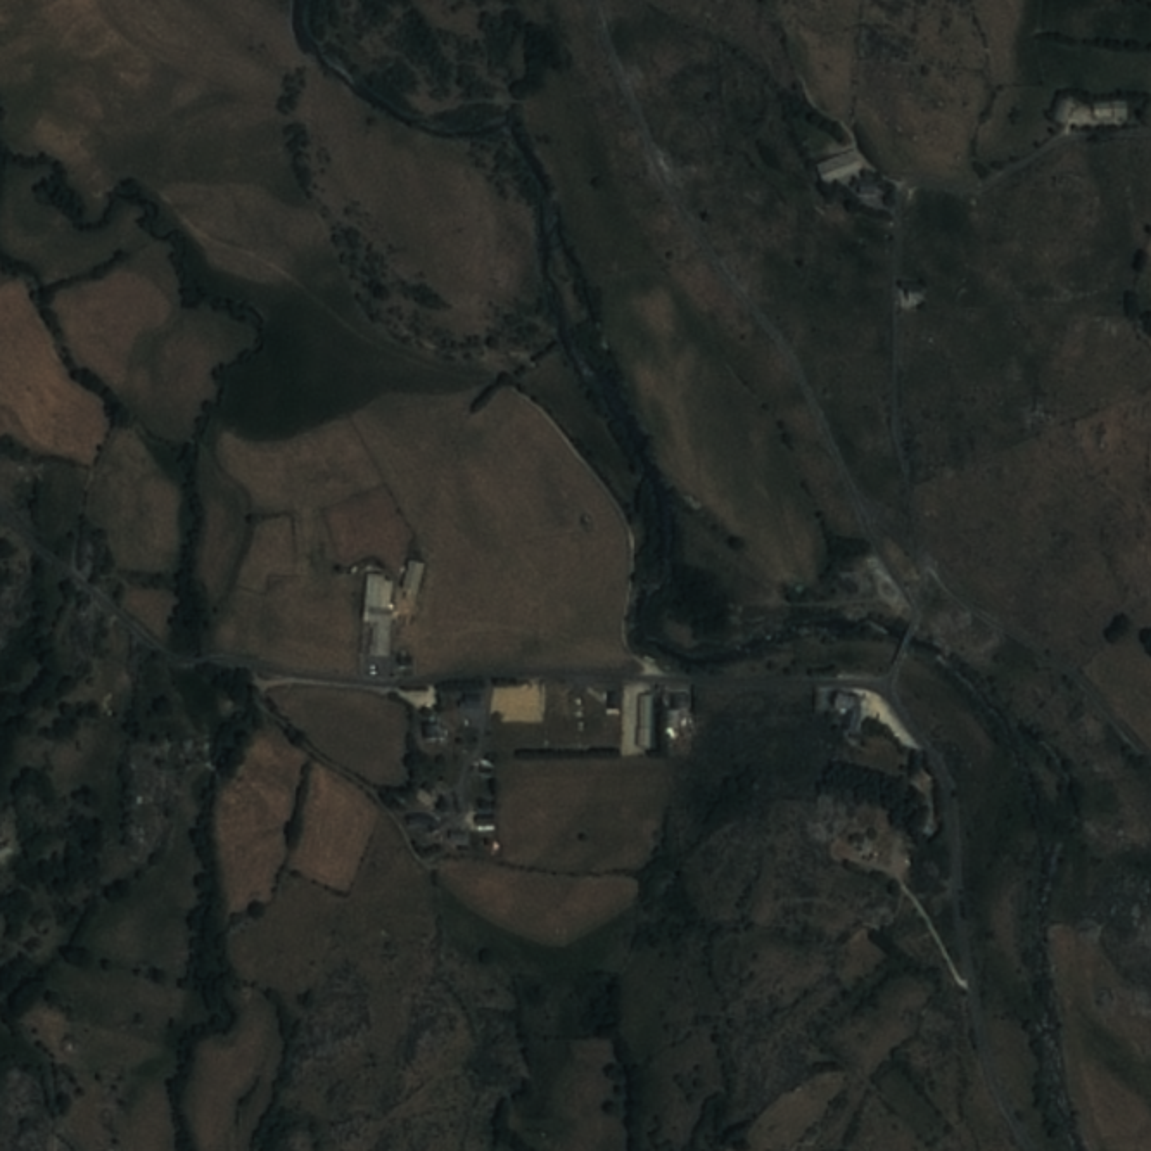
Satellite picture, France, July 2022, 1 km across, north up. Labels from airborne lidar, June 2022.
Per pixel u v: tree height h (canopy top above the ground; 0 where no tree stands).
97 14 0
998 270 0
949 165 0
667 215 0
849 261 0
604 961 0
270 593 0
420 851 11
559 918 0
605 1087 0
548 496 0
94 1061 0
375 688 0
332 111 0
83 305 0
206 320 0
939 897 0
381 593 0
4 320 0
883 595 0
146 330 0
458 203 0
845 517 0
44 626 16
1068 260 0
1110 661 0
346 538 0
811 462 0
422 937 0
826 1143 0
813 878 0
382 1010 0
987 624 0
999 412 0
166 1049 0
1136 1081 0
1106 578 0
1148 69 0
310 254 0
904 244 0
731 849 0
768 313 0
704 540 0
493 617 0
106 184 0
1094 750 0
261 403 0
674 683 0
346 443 0
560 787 0
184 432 0
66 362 6
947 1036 0
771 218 0
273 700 0
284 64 0
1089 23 0
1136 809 0
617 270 0
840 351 0
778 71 0
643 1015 0
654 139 0
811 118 11
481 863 0
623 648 0
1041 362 0
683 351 0
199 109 0
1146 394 0
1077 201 0
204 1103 0
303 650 0
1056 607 0
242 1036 0
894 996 0
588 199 0
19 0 0
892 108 0
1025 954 6
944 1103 0
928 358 0
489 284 0
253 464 0
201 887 17
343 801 0
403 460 0
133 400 0
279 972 0
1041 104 0
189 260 0
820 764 0
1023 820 0
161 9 0
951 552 0
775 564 0
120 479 0
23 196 0
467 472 0
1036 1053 6
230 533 0
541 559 0
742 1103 0
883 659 0
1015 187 0
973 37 0
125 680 0
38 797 10
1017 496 0
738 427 0
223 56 0
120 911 0
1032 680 0
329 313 0
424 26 7
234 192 0
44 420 0
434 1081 0
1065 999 0
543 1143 0
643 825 0
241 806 0
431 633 0
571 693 0
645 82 0
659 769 0
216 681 9
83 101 0
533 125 0
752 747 0
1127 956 0
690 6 0
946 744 0
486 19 8
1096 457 0
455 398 0
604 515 0
